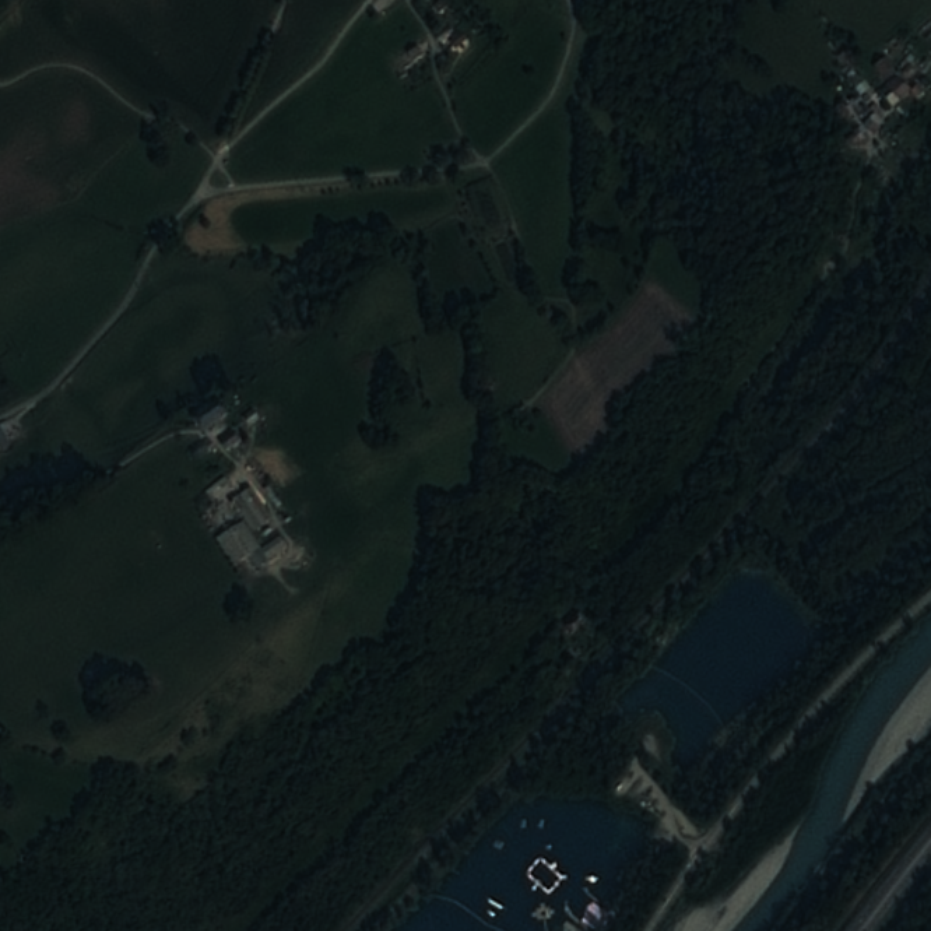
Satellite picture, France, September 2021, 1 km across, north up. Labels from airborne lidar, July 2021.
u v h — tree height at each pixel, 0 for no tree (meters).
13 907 10
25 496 21
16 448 0
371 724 24
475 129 0
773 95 0
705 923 0
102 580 0
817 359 25
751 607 0
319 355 0
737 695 0
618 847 0
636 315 0
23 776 0
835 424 8
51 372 0
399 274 0
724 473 22
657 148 10
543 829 0
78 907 22
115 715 22
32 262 0
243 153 0
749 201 20
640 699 0
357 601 0
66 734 10
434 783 17
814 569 20
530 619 20
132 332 0
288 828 16
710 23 30
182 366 0
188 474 0
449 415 0
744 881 0
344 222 0
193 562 0
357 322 0
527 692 11
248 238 0
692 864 0
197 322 0
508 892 0
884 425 23
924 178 18
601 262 0
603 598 27
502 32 9
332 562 0
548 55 0
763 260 14
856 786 0
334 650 0
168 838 16
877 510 25
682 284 0
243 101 10
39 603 0
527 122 0
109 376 0
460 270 0
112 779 23
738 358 8
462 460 0
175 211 0
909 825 22
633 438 21
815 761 0
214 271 0
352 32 0
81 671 0
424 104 0
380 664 21
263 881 17
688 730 0
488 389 9
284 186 0
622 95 29
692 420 19
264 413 0
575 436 0
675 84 24
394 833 23
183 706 0
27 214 0
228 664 0
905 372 30
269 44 9
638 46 22
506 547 25
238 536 0
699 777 13
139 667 0
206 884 16
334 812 19
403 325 0
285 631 0
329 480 0
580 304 22
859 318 23
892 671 0
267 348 0
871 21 0
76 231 0
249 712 0
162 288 0
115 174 0
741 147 27
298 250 0
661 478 19
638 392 10
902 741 0
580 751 10
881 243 14
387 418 26
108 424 0
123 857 12
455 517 31
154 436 0
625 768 11
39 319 0
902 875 0
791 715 18
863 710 0
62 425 0
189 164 0
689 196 24
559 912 0
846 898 17
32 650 0
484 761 14
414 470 0
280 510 0
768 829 0
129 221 0
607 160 23
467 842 28
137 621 0
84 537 0
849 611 6
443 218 0
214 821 22
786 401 25
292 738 9
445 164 18
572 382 0
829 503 14
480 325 22
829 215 17
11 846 12
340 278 22
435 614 22
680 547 25
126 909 20
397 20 0
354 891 17
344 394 0
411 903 12
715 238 24
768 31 0
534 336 0
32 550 0
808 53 0
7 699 0
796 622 0
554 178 0
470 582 12
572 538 21
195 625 0
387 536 0
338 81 0
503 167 0
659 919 0
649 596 17
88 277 0
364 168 0
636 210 20
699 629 0
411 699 25
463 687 11
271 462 0
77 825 12
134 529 0
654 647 6
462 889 0
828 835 0
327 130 0
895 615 21
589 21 24
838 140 25
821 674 16
